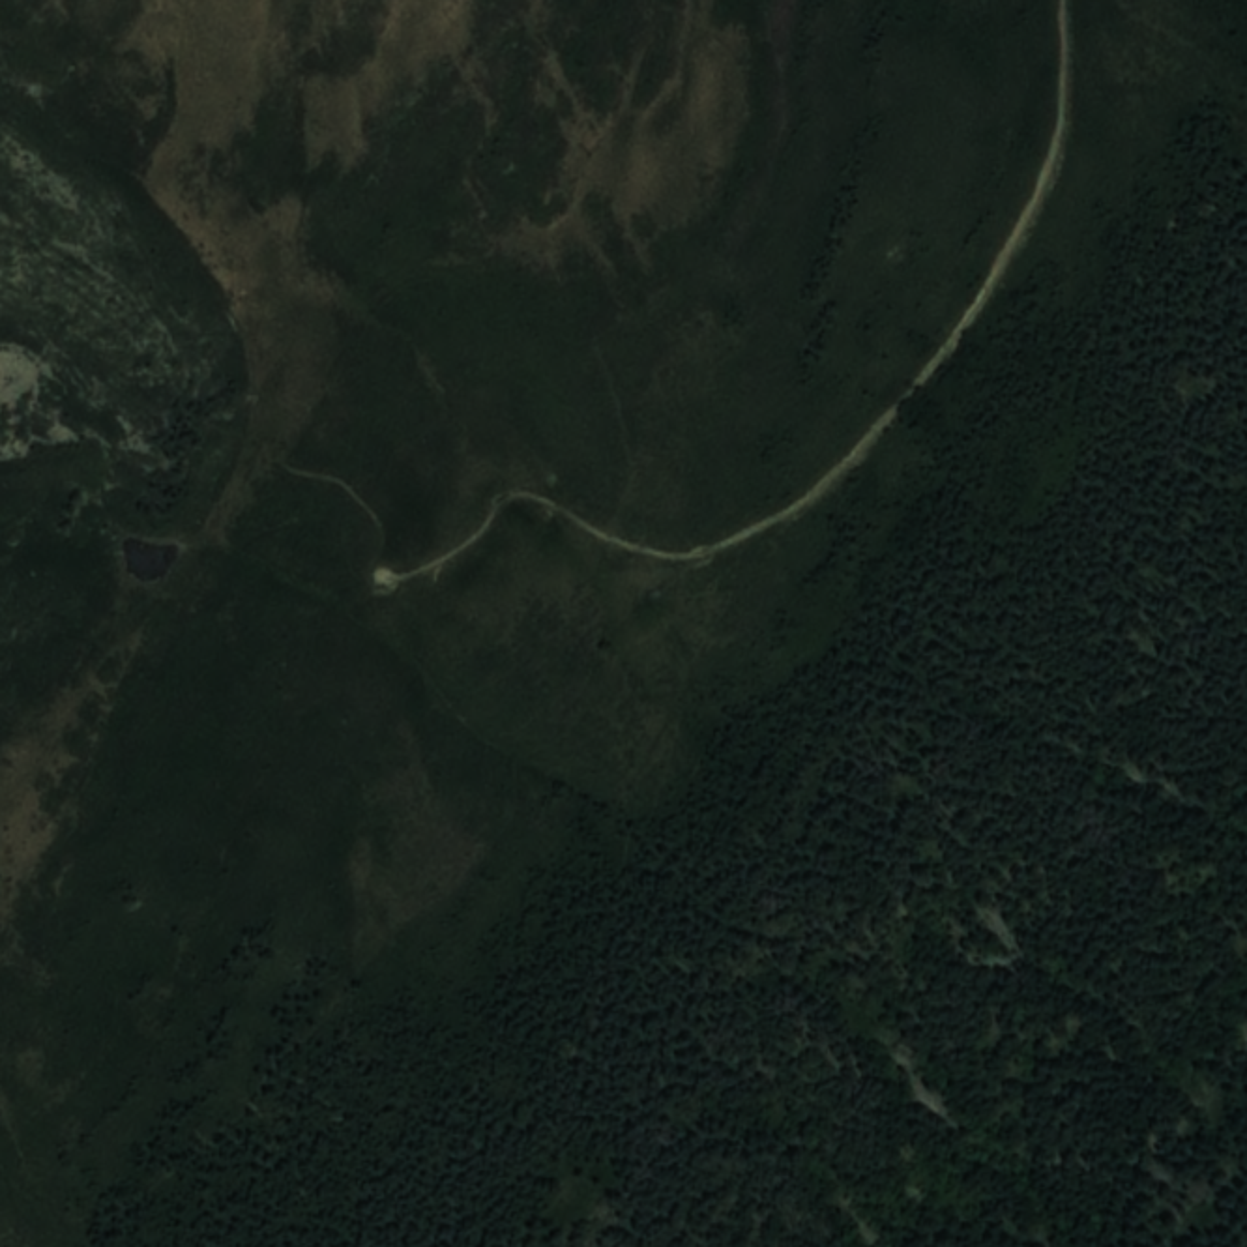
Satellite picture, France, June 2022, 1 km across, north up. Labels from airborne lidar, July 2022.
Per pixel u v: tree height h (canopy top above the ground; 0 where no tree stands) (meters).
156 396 0
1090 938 8
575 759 0
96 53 0
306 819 0
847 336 0
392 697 0
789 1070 13
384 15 0
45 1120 0
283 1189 11
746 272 0
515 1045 14
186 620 0
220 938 0
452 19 0
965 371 8
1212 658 30
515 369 0
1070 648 16
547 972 12
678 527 0
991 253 0
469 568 0
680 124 0
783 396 0
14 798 0
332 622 0
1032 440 7
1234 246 22
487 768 0
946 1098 15
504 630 0
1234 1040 9
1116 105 0
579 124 0
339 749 0
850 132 0
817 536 0
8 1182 0
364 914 0
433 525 0
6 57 0
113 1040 0
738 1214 9
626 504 0
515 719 0
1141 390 15
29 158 0
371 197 0
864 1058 29
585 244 0
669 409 0
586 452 0
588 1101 24
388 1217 22
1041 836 27
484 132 0
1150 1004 26
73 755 0
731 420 0
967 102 0
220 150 0
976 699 12
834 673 9
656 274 0
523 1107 17
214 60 0
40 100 0
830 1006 19
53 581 0
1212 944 26
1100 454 11
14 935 0
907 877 10
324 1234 8
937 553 11
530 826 0
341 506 0
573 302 0
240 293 0
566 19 0
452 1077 10
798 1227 12
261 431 0
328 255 0
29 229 0
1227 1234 28
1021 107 0
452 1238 20
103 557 0
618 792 0
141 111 0
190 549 0
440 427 0
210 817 0
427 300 0
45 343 0
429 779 0
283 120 0
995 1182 29
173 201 0
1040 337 12
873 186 0
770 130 0
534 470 0
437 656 0
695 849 16
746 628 0
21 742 0
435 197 0
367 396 0
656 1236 29
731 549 0
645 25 0
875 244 0
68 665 0
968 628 23
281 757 0
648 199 0
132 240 0
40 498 0
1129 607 26
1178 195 8
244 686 0
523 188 0
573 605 0
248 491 0
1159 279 12
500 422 0
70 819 0
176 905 0
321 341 0
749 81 0
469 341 0
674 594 0
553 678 0
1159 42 0
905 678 20
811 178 0
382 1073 12
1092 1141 33
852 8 0
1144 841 22
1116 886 21
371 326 0
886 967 17
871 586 11
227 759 0
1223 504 15
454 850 0
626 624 0
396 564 0
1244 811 32
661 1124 28
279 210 0
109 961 0
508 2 0
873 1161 18
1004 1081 22
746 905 17
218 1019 9
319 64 0
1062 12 0
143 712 0
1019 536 11
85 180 0
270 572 0
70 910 0
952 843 28
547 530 0
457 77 0
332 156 0
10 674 0
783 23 0
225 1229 19
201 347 0
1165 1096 28
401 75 0
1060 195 0
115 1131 0
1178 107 0
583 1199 0
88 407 0
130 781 0
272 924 6
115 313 0
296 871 0
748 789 17
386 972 0
